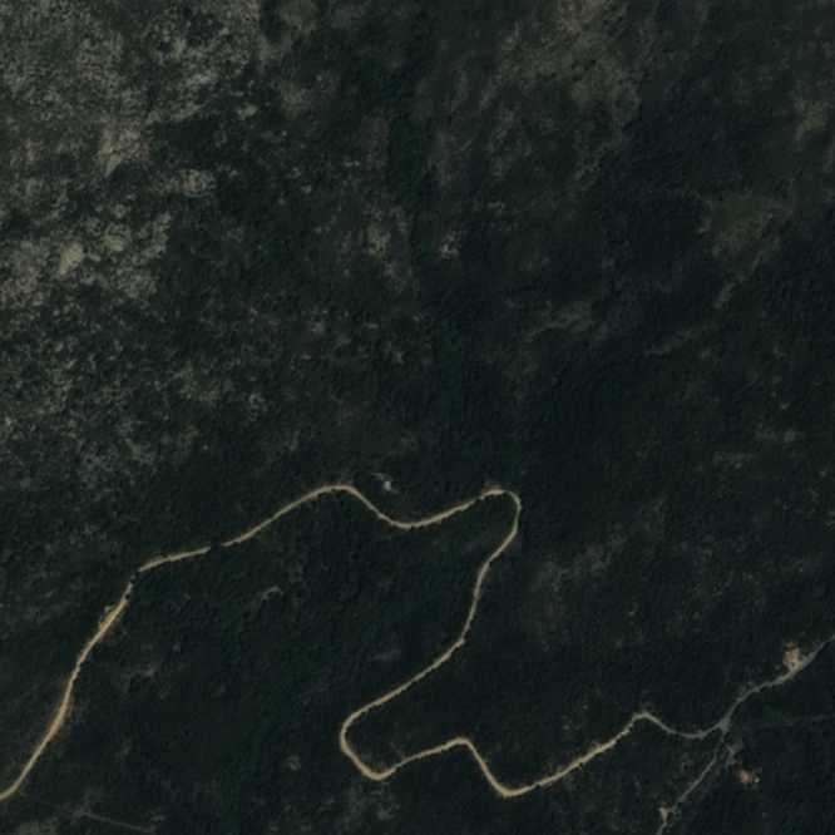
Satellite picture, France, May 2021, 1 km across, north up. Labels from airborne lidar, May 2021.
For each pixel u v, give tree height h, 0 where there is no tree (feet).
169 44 35
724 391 23
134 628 30
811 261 27
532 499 45
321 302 31
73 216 27
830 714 20
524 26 0
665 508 22
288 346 22
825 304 41
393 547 27
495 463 21
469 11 25
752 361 19
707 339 18
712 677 33
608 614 20
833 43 0
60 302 23
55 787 23
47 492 24
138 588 48
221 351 26
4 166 0
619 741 29
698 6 0
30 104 0
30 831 0
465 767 22
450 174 0
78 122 0
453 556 33
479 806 23
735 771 30
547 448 25
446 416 46
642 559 23
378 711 18
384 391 34
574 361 21
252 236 20
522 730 22
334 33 20
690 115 22
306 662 52
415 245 44
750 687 31
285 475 32
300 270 38
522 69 0
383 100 35
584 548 19
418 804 29
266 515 31
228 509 31
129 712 27
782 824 28
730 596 18
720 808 38
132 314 25
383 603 35
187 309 32
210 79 0
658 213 26
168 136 22
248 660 26
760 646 19
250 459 33
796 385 31
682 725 26
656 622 26
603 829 21
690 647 42
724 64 24
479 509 31
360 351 27
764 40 0
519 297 23
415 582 20
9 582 20
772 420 27
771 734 26
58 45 0
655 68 0
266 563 37
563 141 18
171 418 21
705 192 29
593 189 31
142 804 21
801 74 0
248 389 38
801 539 23
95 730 19
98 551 26
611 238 27
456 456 20
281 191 21
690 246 28
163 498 28
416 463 28
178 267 20
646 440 20
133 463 24
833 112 0
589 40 0
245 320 31
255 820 28
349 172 27
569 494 31
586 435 30
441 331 38
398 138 43
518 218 24
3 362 22
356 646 48
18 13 0
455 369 53
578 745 20
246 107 24
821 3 0
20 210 36
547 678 29
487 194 18
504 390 39
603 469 23
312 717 19
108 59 0
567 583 17
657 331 24
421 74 22
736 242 0
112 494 26
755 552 21
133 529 35
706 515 23
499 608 18
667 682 20
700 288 18
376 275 24
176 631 31
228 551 41
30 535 24
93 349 33
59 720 0
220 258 23
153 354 23
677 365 22
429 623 33
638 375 26
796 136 0
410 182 30
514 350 20
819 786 57
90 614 22
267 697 27
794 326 27
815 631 23
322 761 20
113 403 26
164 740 21
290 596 34
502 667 20
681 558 24
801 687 31
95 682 24
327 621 28
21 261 0
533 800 22
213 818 26
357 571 39
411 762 25
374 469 24
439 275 23
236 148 19
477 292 26
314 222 24
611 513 21
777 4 0
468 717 29
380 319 25
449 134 0
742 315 23
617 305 20
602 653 23
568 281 31
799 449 24
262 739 28
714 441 24
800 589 36
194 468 28
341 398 26
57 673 23
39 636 22
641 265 24
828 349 36
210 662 20
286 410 30
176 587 20
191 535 30
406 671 31
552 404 37
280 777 26
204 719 17
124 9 0
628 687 21
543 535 30
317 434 26
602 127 21
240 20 0
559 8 0
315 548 29
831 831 38
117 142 0
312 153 30
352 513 33
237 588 26
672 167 21
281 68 29
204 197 19
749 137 25
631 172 22
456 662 21
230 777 19
